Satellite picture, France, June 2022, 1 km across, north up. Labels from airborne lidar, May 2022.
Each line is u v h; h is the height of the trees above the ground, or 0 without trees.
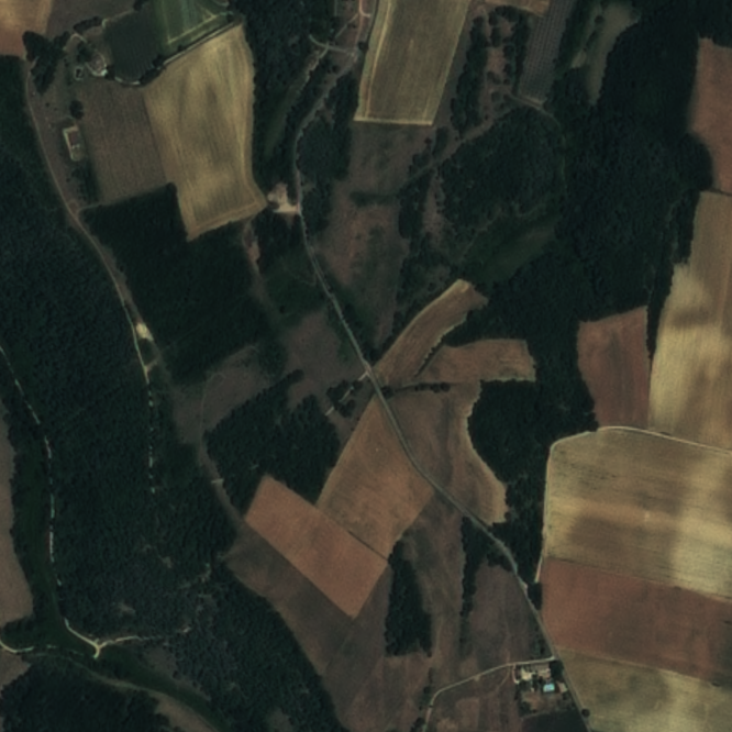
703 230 0
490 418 7
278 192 0
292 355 0
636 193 12
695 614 0
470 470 0
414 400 0
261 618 13
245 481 7
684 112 13
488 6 0
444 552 0
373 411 0
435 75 0
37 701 13
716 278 0
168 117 0
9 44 0
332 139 8
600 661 0
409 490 0
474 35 11
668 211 9
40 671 13
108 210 6
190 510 11
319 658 0
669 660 0
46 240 11
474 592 12
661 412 0
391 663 0
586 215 25
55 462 7
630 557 0
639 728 0
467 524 10
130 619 11
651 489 0
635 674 0
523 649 0
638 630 0
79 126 0
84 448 6
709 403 0
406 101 0
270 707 15
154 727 22
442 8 0
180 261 7
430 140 8
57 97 0
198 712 0
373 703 0
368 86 0
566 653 0
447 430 0
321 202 10
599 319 11
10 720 17
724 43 18
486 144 10
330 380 0
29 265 13
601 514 0
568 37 9
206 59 0
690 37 11
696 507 0
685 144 17
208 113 0
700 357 0
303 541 0
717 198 0
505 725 0
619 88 11
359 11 0
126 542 8
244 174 0
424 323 0
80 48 11
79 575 15
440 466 0
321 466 12
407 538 0
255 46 11
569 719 0
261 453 11
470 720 0
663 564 0
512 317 16
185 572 10
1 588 0
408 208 9
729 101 0
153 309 6
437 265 9
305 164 10
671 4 12
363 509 0
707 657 0
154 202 9
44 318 10
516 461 11
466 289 0
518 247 0
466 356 0
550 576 0
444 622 0
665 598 0
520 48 6
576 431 12
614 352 0
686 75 13
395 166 0
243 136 0
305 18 14
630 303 7
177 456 8
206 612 10
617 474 0
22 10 0
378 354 13
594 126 14
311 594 0
